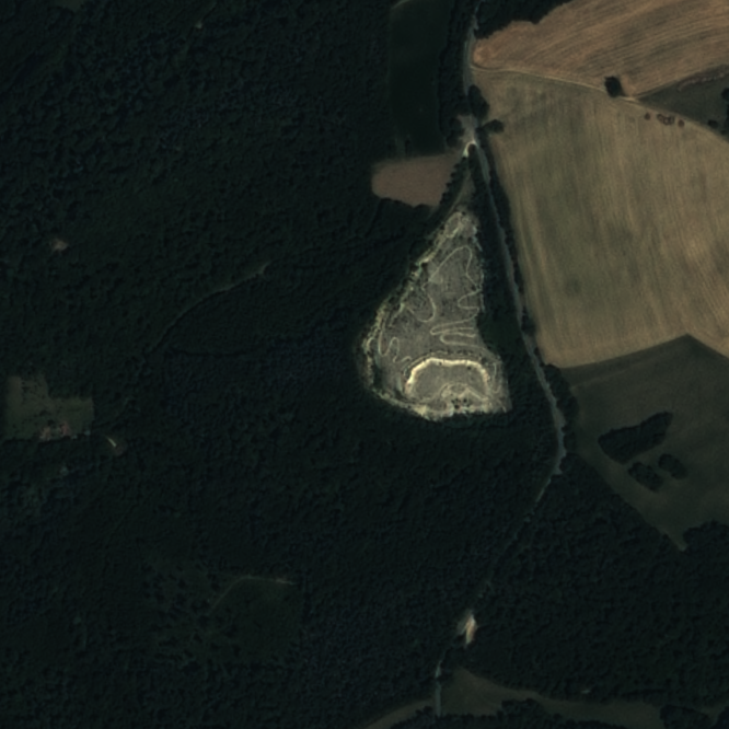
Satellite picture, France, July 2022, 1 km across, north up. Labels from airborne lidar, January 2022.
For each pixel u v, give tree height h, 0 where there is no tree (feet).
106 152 94
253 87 71
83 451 28
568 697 84
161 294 66
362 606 70
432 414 0
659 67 0
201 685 73
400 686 77
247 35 69
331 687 61
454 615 42
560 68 0
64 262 56
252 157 53
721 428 0
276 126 50
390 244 66
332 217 68
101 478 78
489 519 62
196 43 35
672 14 0
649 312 0
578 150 0
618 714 0
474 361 0
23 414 0
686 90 0
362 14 47
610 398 0
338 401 58
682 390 0
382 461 62
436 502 74
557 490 60
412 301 0
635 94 0
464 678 0
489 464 88
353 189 55
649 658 39
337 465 70
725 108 0
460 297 0
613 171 0
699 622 96
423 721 58
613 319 0
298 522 71
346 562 66
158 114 87
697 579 51
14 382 0
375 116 71
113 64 47
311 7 88
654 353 0
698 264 0
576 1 0
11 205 84
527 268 0
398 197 0
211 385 71
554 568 79
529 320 39
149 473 77
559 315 0
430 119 0
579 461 43
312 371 66
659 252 0
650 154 0
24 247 73
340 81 77
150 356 81
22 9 94
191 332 22
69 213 35
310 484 69
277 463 67
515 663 59
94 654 83
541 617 72
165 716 77
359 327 35
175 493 23
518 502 57
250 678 63
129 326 82
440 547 73
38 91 87
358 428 65
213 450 72
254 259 71
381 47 50
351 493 75
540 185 0
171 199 63
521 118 0
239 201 64
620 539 82
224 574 47
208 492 79
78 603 83
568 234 0
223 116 71
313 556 69
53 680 71
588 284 0
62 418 0
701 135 0
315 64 66
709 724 61
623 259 0
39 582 68
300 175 69
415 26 0
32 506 79
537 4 41
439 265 0
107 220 46
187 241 75
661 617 52
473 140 0
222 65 87
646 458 0
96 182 72
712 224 0
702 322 0
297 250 63
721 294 0
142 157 62
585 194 0
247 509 67
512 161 0
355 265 59
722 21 0
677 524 0
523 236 0
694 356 0
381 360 0
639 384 0
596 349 0
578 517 83
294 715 48
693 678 63
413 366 0
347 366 52
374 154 51
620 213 0
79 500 79
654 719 0
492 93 0
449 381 0
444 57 50
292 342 51
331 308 22
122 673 96
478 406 0
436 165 0
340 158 67
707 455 0
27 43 75
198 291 78
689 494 0
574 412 51
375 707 58
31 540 82
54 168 73
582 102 0
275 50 62
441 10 0
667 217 0
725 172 0
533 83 0
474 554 58
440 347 0
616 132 0
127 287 78
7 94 57
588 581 82
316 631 47
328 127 64
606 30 0
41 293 83
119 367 72
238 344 29
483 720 28
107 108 87
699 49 0
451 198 32
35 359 57
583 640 68
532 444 39
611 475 0
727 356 0
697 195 0
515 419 42
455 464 63
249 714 68
